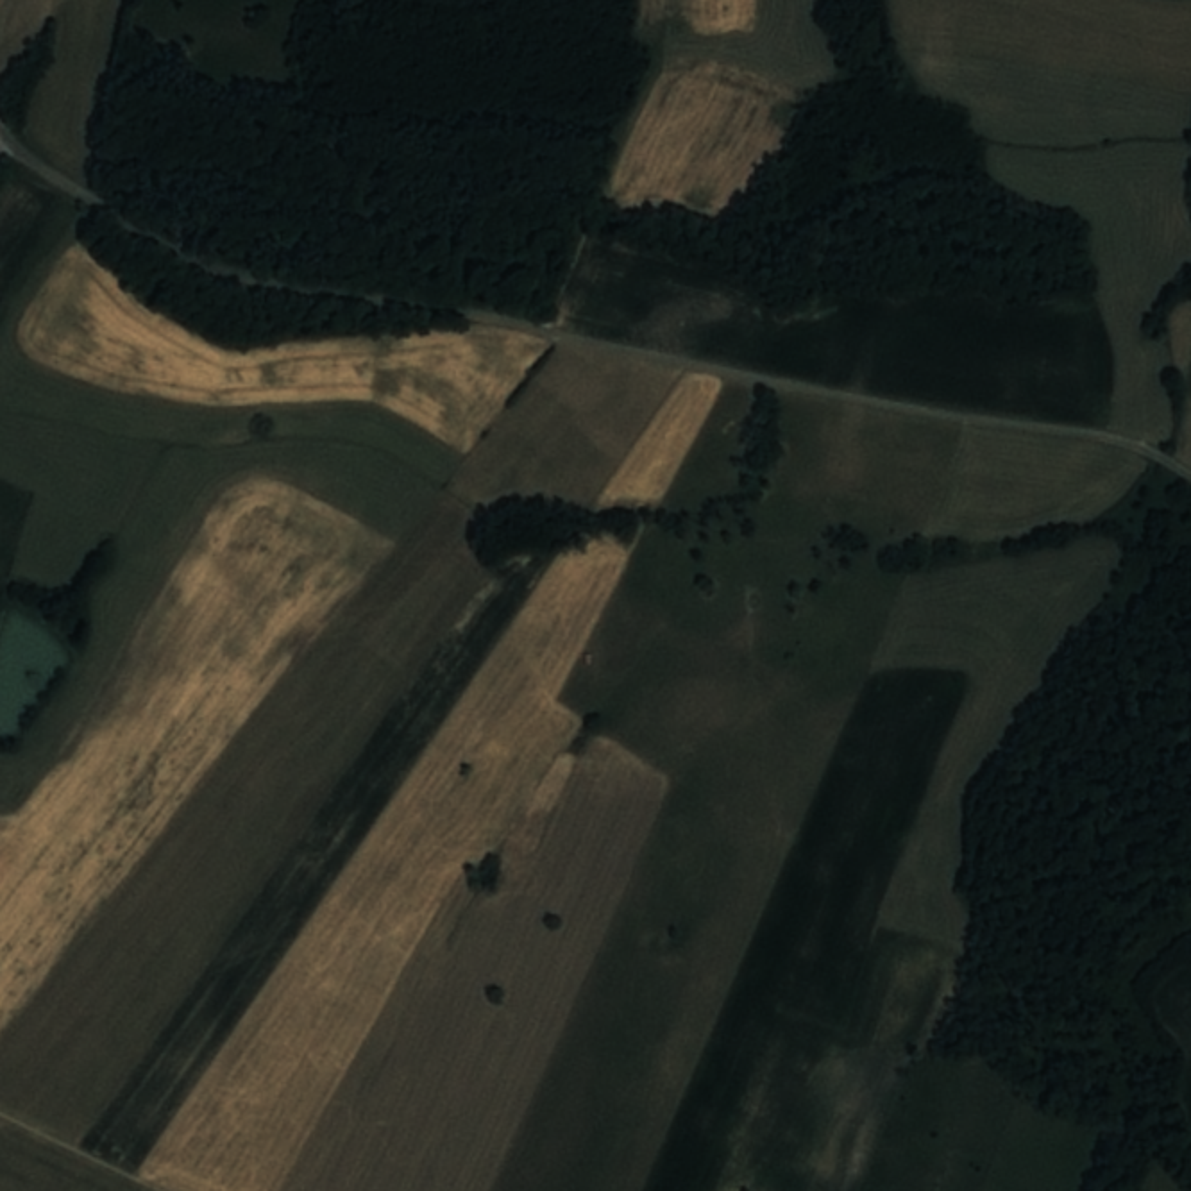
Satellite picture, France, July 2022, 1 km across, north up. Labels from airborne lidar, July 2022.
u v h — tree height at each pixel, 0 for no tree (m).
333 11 22
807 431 0
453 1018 0
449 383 0
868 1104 0
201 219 24
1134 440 0
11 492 0
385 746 0
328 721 0
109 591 0
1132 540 11
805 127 9
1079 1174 0
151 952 0
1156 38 0
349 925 0
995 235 24
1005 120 0
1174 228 0
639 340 0
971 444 0
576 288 0
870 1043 0
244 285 18
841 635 0
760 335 0
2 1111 0
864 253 24
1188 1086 0
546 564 0
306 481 0
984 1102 0
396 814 0
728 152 0
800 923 0
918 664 0
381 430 0
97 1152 0
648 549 0
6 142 0
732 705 0
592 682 0
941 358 0
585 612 0
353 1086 0
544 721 0
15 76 18
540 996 0
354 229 24
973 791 15
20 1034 0
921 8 0
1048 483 0
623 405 0
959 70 0
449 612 0
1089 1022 16
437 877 0
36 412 0
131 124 22
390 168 22
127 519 0
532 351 0
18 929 0
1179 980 0
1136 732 27
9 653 0
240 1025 0
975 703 0
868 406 0
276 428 0
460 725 0
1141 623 20
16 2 0
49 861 0
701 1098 0
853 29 20
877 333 0
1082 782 25
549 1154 0
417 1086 0
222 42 0
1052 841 21
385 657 0
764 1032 0
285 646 0
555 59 15
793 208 10
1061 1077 24
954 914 0
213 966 0
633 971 0
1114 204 0
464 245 26
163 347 0
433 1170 0
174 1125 0
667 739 0
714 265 17
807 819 0
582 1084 0
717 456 0
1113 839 24
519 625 0
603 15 12
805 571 0
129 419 0
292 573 0
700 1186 0
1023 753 23
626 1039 0
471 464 0
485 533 20
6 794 0
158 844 0
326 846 0
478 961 0
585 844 0
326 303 20
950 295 16
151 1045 0
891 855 0
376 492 0
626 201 0
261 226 21
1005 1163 0
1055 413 0
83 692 0
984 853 16
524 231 24
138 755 0
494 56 12
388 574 0
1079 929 23
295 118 24
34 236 0
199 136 25
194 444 0
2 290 0
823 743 0
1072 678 21
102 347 0
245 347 18
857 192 7
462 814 0
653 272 0
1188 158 0
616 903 0
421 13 11
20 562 0
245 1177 0
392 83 12
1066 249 17
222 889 0
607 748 0
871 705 0
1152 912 23
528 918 0
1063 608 0
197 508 0
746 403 0
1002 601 0
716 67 0
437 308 12
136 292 18
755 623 0
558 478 0
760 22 0
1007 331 0
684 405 0
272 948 0
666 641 0
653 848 0
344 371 0
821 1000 0
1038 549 16
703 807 0
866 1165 0
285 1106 0
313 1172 0
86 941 0
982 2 0
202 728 0
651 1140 0
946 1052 22
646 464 0
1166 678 21
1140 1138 21
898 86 10
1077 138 0
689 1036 0
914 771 0
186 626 0
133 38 8
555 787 0
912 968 0
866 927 0
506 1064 0
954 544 10
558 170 25
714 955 0
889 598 0
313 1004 0
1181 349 0
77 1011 0
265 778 0
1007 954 24
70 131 0
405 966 0
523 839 0
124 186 23
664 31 0
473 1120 0
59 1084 0
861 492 0
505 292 22
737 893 0
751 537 16
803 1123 0
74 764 0
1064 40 0
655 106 0
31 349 0
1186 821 24
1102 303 0
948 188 23
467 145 24
